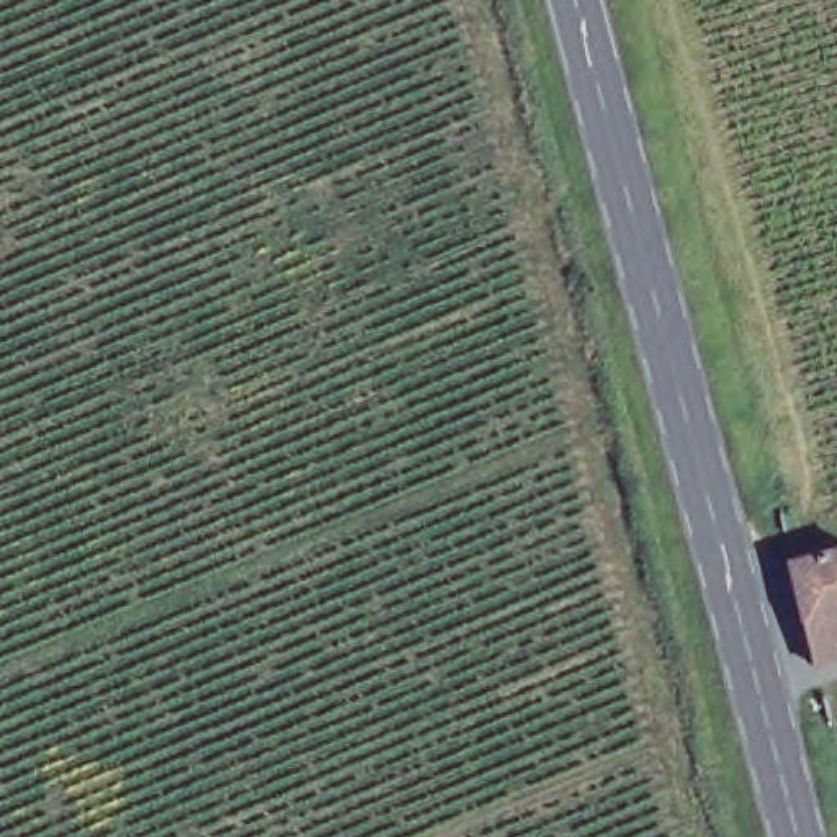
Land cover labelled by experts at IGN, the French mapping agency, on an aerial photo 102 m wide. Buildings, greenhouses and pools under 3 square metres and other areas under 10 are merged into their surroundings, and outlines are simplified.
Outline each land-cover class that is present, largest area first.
<instances>
[{"label":"vineyard","instance_id":"1","mask_svg":"<svg viewBox=\"0 0 837 837\"><path fill-rule=\"evenodd\" d=\"M474 92L468 52L458 43V26L454 13L448 10V0H0V837H419L468 811L507 798L513 788L539 785L579 768L572 752H585V759H602L638 742V719L624 693V660L618 647L602 651V644L615 638V628L608 618L595 621L608 608V602L582 530V507L575 504L562 510V504H572L579 497L572 464L546 471L539 468L543 458L569 454L566 422L556 409V389L549 376H543L523 383V389L504 392V383L523 379L539 353L526 350V343H536V301L526 294L523 268L513 255V235L497 239L504 226H510V216L500 209V190H458L454 183L461 177H481L494 170V147L487 144V128L477 118L471 124L461 121L474 111ZM680 16L696 23L700 33L709 39V69H700V82L713 98V114L729 121V137L736 141L739 154V160L729 163V177L736 186H745V196L752 199L759 219V245L772 252V271L778 281L775 304L785 317L788 340L798 350L804 428L817 441L814 451L824 471L821 481L827 484V494H837V0H677ZM572 808H566L562 801H546V817H539L536 811H517L510 817L481 824L461 837H667V830L657 824L651 781L634 765H624L605 772L598 785H589V794L572 791Z\"/></svg>","mask_w":837,"mask_h":837},{"label":"herbaceous vegetation","instance_id":"2","mask_svg":"<svg viewBox=\"0 0 837 837\"><path fill-rule=\"evenodd\" d=\"M448 10L454 13L458 26V43L468 52L474 92V111L461 121L471 124L477 118L487 128V144L494 147V170L481 177H461L454 183L458 190H500V209L510 216V226H504L497 239L513 235V255L523 268L526 294L536 301V343H526V350L539 353L523 379L504 383V392L523 389V383L543 376H549L556 389V409L566 422L569 454L543 458L539 468L546 471L572 464L579 497L572 504H562V510L575 504L582 507V530L608 602V608L595 621L608 618L615 628V638L602 644V651L618 647L624 660V693L638 719V742L602 759H585V752H572L579 768L539 785L513 788L507 798L468 811L419 837H461L481 824L510 817L517 811H536L539 817H546V801H562L566 808H572V791L589 794V785H598L605 772L624 765H634L651 781L657 824L667 830V837H709L703 830L696 798L683 788L687 752L680 736V716L647 703L651 696H667L670 683L677 680L680 700L687 706V723L696 739L703 791L719 837H765L759 798L749 778L742 736L732 716V700L723 680V664L706 615L700 575L680 523V507L664 458L660 428L641 369L628 304L618 284L592 167L582 144V128L575 121V105L556 49L546 0H448ZM569 262L582 268L592 288L589 301L582 304V320L572 317V301L559 275ZM595 369H602V392L618 432L621 474L631 494V517L644 549L651 585L641 592L631 566V543L621 523V497L608 477V441L598 425L595 396L589 392V373ZM628 92L634 101L638 128L644 137L657 203L667 222L670 252L683 284V301L690 307L700 360L709 379L713 409L726 435L736 490L745 510V523H752L762 536L755 546L762 566L768 559H778L788 569L798 556H821L824 549H837V494H827V484L821 481L824 471L814 451L817 441L804 428L798 350L788 340L785 317L775 304L778 281L772 271V252L759 245V219L752 199L745 196V186H736L729 177V163L739 160V154L736 141L729 137V121L713 114V98L700 82V69H709V39L700 33L696 23L680 16L677 0H605ZM798 723L808 749L811 778L821 798L827 837H837V680L811 687L798 696Z\"/></svg>","mask_w":837,"mask_h":837},{"label":"impervious surface","instance_id":"3","mask_svg":"<svg viewBox=\"0 0 837 837\"><path fill-rule=\"evenodd\" d=\"M556 49L575 105V121L582 128V144L592 167L618 284L628 304L641 369L660 428L664 458L680 507V523L700 575L706 615L723 664V680L732 700V716L742 736L749 778L759 798L765 837H827L821 798L811 778L808 749L798 723V696L788 693L785 680L775 670V654H781L788 644L765 592L762 566L755 546L762 536L752 523H745V510L736 490L726 435L713 409L709 379L700 360L690 307L683 301V284L670 252L667 222L657 203L644 137L638 128L634 101L628 92L605 0H546Z\"/></svg>","mask_w":837,"mask_h":837},{"label":"brushwood","instance_id":"4","mask_svg":"<svg viewBox=\"0 0 837 837\"><path fill-rule=\"evenodd\" d=\"M559 275L572 301V317L582 320V304L589 301L592 288L582 268L569 262ZM589 392L595 396L598 425L608 441V477L621 497V523L631 543V566L641 592L651 585L644 549L631 517V494L621 474L618 432L602 392V369H595L589 373ZM647 703L680 716V736L687 752L683 788L696 798L703 830L709 837H719L703 791L696 739L687 723V706L680 700L677 680L670 683L667 696H651Z\"/></svg>","mask_w":837,"mask_h":837},{"label":"building","instance_id":"5","mask_svg":"<svg viewBox=\"0 0 837 837\"><path fill-rule=\"evenodd\" d=\"M811 657L817 664H837V549H824L821 556H798L788 569Z\"/></svg>","mask_w":837,"mask_h":837},{"label":"pervious surface","instance_id":"6","mask_svg":"<svg viewBox=\"0 0 837 837\"><path fill-rule=\"evenodd\" d=\"M765 592L788 644L781 654H775V670L785 680L788 693L798 696L811 687L837 680V664H817L811 657L788 569L778 559H768L762 566Z\"/></svg>","mask_w":837,"mask_h":837}]
</instances>
